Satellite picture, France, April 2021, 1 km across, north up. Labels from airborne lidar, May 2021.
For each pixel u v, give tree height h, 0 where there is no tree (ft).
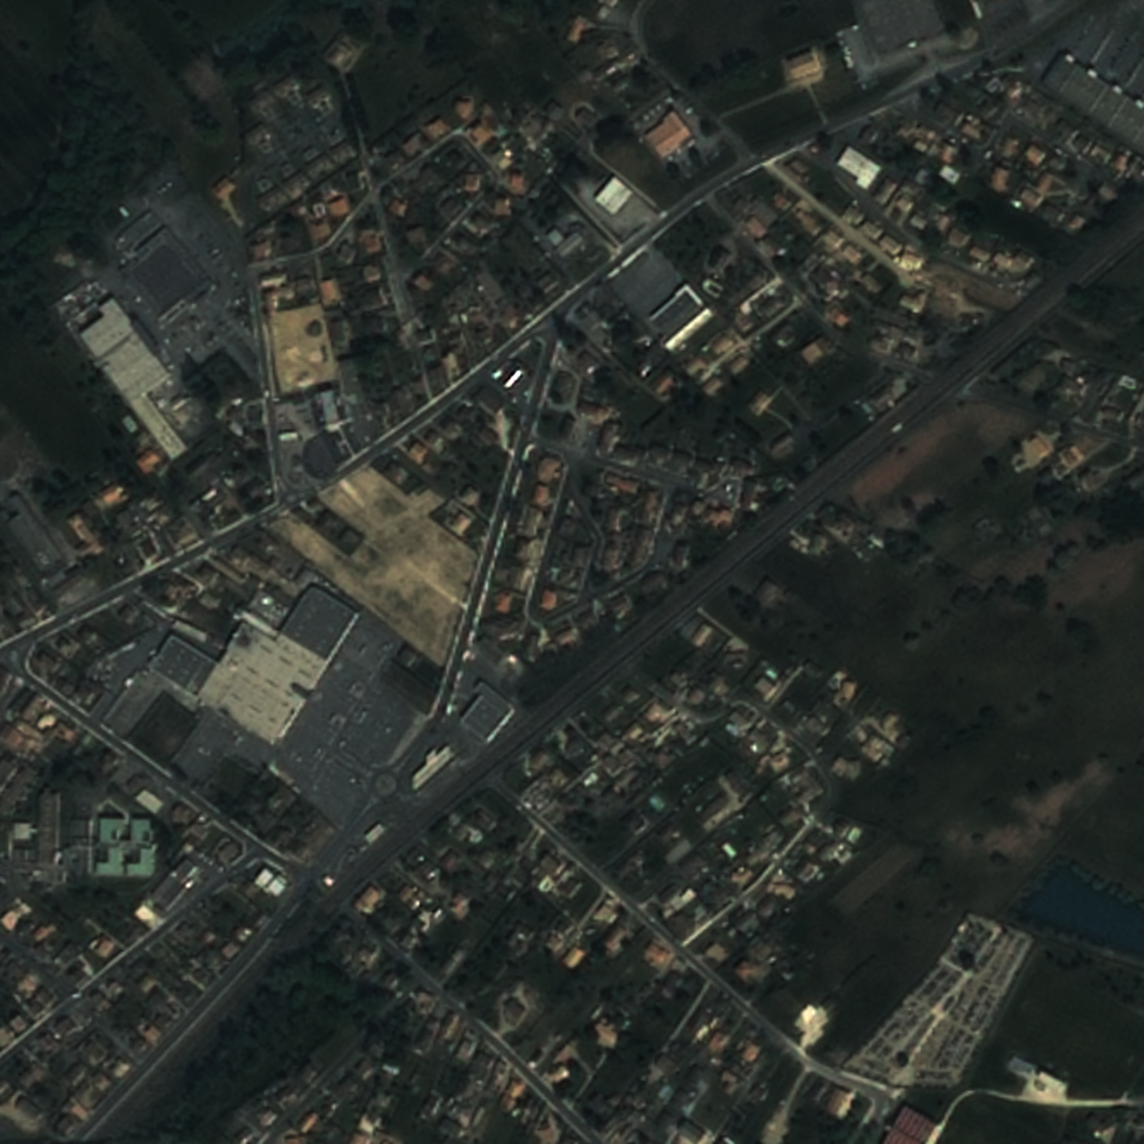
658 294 0
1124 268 0
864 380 0
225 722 0
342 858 0
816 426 0
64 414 0
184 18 39
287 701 0
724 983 0
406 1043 27
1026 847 0
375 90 0
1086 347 0
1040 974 0
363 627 0
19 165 0
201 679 0
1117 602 0
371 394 31
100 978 0
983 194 0
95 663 0
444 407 0
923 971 0
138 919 28
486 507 28
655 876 0
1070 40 0
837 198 0
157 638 0
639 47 0
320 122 0
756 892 0
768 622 33
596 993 36
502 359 0
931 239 54
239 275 0
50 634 0
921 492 0
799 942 0
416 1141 0
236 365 26
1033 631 0
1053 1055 0
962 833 0
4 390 0
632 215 0
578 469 0
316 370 0
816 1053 0
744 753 0
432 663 0
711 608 0
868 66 0
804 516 0
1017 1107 0
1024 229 0
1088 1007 0
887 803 0
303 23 18
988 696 0
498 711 0
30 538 0
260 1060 49
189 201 0
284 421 0
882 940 0
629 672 0
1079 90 0
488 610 0
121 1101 0
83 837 0
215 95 0
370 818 0
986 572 0
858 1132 38
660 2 0
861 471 0
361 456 0
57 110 0
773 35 0
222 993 0
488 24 0
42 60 0
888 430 0
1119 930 0
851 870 0
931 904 0
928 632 28
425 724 0
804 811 0
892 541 27
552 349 0
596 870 0
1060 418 0
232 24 0
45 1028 0
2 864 0
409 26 68
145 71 0
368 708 0
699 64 0
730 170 0
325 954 68
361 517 0
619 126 37
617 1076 0
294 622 0
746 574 0
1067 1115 0
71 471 21
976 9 0
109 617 0
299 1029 94
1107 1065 0
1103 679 0
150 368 0
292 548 0
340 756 0
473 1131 0
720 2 0
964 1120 0
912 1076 0
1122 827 0
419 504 0
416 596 0
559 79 0
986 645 0
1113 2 0
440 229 23
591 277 0
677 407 20
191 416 0
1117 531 34
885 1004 0
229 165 0
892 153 18
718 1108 0
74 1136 0
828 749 0
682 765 0
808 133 0
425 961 20
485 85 0
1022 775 0
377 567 0
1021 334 0
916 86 0
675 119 0
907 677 0
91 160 41
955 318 0
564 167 61
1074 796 0
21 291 38
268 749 0
